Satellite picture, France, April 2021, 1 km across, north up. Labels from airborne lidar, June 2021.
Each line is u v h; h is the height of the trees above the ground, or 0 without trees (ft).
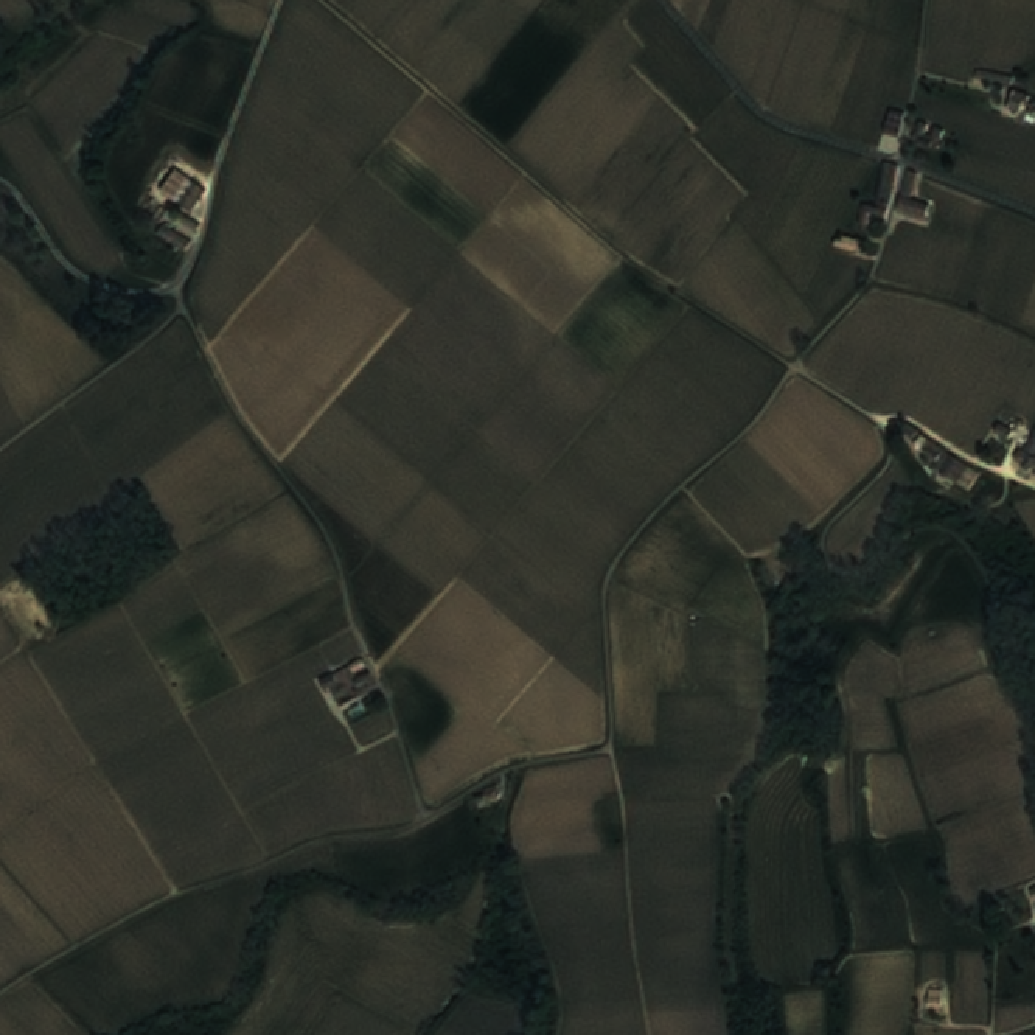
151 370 0
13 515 0
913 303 0
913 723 0
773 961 0
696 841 0
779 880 0
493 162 0
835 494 0
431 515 0
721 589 0
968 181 0
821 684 70
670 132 0
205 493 0
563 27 0
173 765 0
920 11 0
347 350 0
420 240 0
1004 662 62
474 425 0
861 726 0
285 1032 0
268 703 0
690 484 0
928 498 33
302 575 0
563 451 0
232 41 0
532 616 0
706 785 0
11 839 0
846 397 0
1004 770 0
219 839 0
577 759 0
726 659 0
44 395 0
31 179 0
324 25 0
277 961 0
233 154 0
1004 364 0
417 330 0
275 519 0
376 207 0
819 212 0
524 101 0
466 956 0
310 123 0
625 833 0
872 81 0
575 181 0
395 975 0
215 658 0
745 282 0
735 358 0
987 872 0
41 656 0
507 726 0
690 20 0
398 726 0
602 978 0
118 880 0
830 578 84
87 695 0
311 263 0
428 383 0
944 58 0
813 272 0
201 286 0
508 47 0
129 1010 0
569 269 0
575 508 0
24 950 0
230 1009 59
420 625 0
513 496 0
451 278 0
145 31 0
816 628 94
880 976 0
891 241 0
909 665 0
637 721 0
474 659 0
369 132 0
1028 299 0
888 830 0
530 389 0
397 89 0
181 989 0
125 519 68
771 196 0
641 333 0
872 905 0
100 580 42
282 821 0
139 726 0
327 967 0
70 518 0
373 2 0
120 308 66
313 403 0
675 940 0
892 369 0
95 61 0
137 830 0
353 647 0
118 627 0
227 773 0
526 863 47
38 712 0
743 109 0
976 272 0
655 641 0
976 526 38
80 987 0
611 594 0
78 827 0
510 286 0
